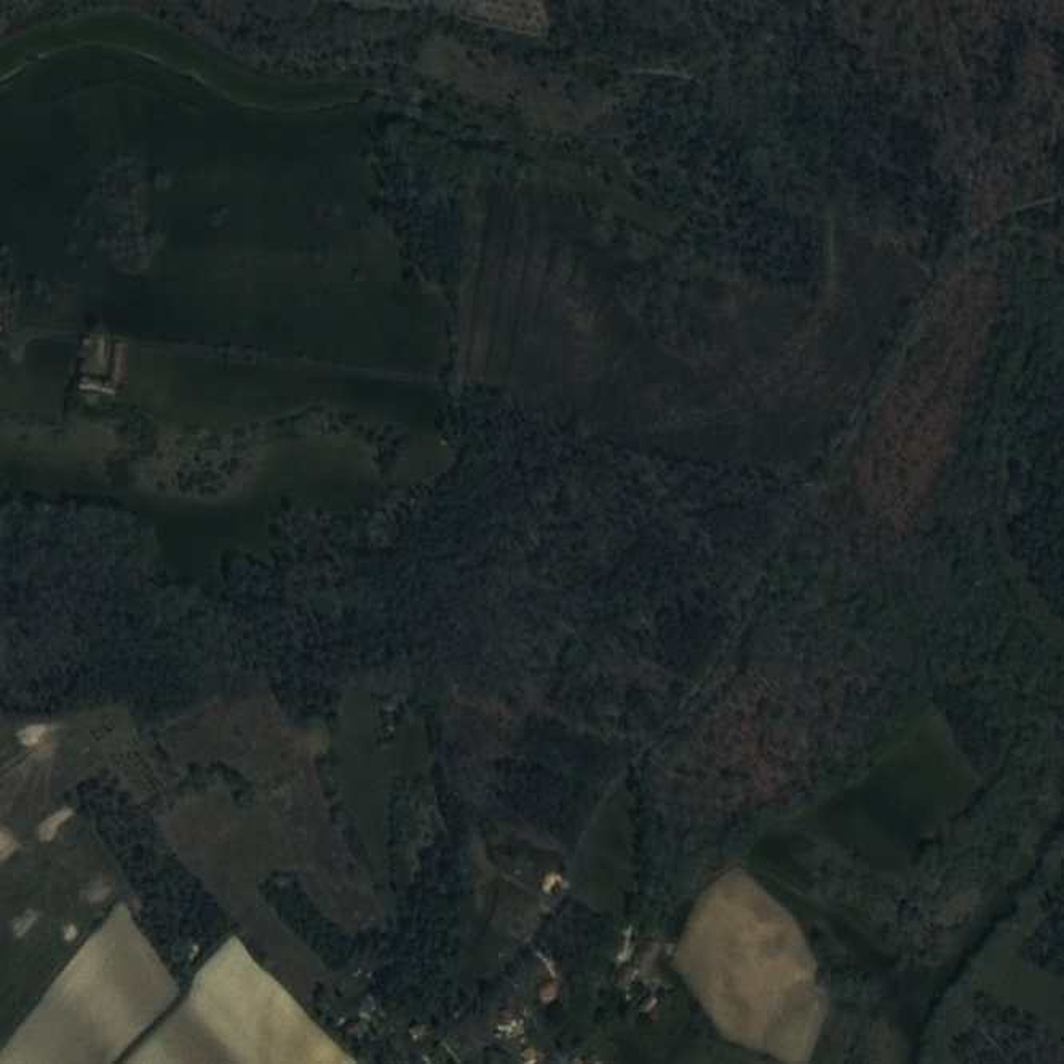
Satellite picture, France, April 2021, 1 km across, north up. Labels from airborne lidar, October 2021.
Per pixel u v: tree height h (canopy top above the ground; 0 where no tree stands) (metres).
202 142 0
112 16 0
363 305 0
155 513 0
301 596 16
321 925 13
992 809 20
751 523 18
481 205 18
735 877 0
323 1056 0
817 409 0
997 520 12
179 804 16
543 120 0
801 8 19
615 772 8
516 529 12
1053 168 14
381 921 0
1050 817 0
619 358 0
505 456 22
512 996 15
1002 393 29
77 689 20
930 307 18
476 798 22
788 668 19
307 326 0
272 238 0
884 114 22
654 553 19
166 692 24
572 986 16
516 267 0
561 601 14
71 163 0
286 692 15
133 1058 0
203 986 0
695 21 15
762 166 17
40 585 15
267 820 0
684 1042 0
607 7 14
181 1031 0
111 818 12
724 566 14
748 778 13
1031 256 21
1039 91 7
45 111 0
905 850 0
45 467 0
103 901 0
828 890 23
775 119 18
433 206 25
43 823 0
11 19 9
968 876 20
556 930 0
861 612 17
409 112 33
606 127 8
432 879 14
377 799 0
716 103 19
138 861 9
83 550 23
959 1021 0
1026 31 13
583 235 0
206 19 14
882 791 0
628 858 0
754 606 12
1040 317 24
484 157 24
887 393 10
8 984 0
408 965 23
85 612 22
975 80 13
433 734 13
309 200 0
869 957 0
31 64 9
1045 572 23
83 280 0
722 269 17
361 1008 0
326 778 10
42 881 0
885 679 13
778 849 0
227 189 0
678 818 15
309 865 0
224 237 0
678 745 20
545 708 8
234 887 0
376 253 0
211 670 16
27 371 0
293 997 0
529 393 0
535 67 17
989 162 14
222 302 0
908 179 12
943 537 18
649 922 12
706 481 21
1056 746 15
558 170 0
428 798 9
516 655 19
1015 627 22
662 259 21
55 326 0
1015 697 21
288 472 0
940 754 0
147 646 27
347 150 0
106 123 0
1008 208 13
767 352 0
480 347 0
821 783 18
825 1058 0
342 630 15
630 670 7
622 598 22
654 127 16
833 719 23
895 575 17
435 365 0
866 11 6
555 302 0
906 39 15
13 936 0
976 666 19
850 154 21
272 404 0
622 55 17
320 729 0
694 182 14
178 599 23
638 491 16
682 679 22
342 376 0
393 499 9
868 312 0
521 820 29
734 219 8
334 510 0
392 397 0
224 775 14
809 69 23
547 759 6
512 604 19
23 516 23
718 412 0
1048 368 26
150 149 0
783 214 12
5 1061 0
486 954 0
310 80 17
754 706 14
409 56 8
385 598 23
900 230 15
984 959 12
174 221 0
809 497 22
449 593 19
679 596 19
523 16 9
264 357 9
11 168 0
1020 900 19
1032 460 16
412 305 0
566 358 0
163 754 14
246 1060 0
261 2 10
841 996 19
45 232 0
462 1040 19
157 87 0
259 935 0
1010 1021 11
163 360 0
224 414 0
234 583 16
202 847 0
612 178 9
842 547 17
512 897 0
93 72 0
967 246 15
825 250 19
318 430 15
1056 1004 0
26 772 0
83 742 0
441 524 16
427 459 0
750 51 15
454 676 23
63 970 0
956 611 19
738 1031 0
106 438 0
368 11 6
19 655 17
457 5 8
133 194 8
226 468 9
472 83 0
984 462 30
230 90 0
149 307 0
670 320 18
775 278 8
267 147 0
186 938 11
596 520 18
